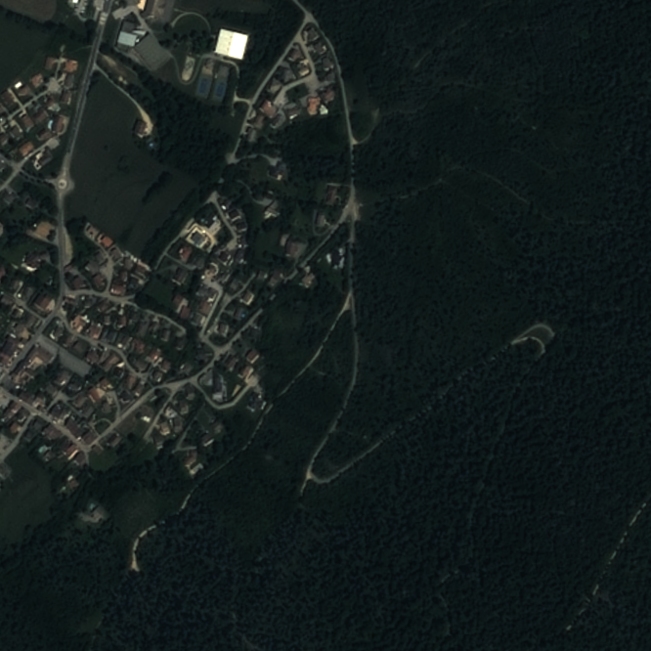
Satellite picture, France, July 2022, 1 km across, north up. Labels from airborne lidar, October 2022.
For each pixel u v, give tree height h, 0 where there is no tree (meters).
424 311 10
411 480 21
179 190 0
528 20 8
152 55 0
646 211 17
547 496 12
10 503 0
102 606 17
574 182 7
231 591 14
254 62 11
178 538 27
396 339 8
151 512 0
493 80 7
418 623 16
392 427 6
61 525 11
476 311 9
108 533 12
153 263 13
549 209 10
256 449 6
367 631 14
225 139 8
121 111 0
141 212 0
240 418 7
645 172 15
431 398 19
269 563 17
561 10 21
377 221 10
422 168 8
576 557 13
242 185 6
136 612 31
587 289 9
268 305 14
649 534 11
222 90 0
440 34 7
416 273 8
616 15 12
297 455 7
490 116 11
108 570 7
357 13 8
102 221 0
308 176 8
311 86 0
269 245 0
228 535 7
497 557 13
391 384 8
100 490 8
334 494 6
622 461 9
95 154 0
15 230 22
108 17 0
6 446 0
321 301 7
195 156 10
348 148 7
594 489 13
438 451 13
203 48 11
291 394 7
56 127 0
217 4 0
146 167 0
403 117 9
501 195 7
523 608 16
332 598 12
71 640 11
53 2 0
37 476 0
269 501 6
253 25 7
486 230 9
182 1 0
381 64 10
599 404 21
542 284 23
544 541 14
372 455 6
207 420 0
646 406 7
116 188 0
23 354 0
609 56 10
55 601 8
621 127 10
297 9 10
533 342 12
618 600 25
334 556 6
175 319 14
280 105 0
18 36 0
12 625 7
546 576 24
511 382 10
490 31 10
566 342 9
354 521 26
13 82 0
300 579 25
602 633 9
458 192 5
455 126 8
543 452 22
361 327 9
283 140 9
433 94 9
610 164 6
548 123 11
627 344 9
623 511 8
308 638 13
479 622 15
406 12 10
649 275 18
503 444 10
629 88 9
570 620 7
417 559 24
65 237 0
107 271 0
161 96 24
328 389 6
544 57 17
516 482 17
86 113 0
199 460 0
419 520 27
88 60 0
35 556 15
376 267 7
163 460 17
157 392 10
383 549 22
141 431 0
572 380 11
